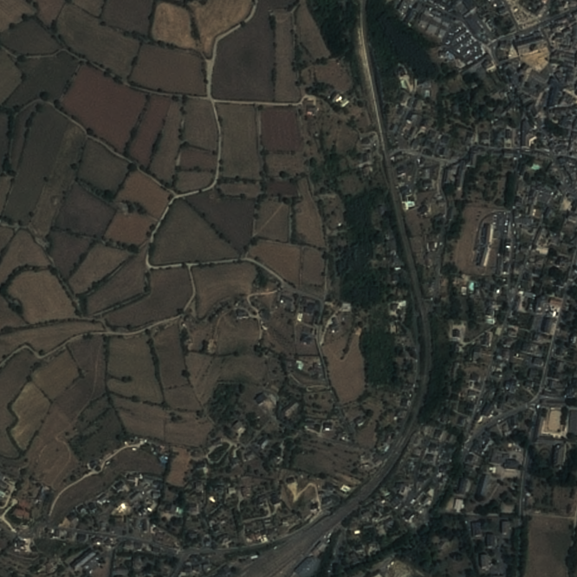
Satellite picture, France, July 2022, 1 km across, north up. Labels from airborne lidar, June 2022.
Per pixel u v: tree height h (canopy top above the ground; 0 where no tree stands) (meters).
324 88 7
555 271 19
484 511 17
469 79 10
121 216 0
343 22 10
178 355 0
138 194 0
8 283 7
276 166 0
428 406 15
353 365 0
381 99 11
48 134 0
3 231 0
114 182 0
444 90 15
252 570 0
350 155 6
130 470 0
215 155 8
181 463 0
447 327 0
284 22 0
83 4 0
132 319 0
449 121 8
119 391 0
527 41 0
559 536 0
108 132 0
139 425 0
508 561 26
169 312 0
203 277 0
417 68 18
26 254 0
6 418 0
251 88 0
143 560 15
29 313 0
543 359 8
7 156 8
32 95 0
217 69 0
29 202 0
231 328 0
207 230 0
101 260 0
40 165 0
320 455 0
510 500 10
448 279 6
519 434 13
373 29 8
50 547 0
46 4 0
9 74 0
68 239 0
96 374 0
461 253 0
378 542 12
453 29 0
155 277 0
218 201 0
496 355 9
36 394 0
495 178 6
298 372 0
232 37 0
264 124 0
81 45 0
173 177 8
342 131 0
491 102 10
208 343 7
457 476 12
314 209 0
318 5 8
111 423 0
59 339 0
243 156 0
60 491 0
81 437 8
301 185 0
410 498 0
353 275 7
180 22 0
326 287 0
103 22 8
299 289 0
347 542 6
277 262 0
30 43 0
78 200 0
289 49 0
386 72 13
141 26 0
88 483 0
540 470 23
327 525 0
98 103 0
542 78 0
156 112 0
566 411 13
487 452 8
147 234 7
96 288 7
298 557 0
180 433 0
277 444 8
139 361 0
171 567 6
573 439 16
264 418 0
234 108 0
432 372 10
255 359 0
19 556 0
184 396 0
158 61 0
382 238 15
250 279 0
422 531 14
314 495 0
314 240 0
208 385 0
